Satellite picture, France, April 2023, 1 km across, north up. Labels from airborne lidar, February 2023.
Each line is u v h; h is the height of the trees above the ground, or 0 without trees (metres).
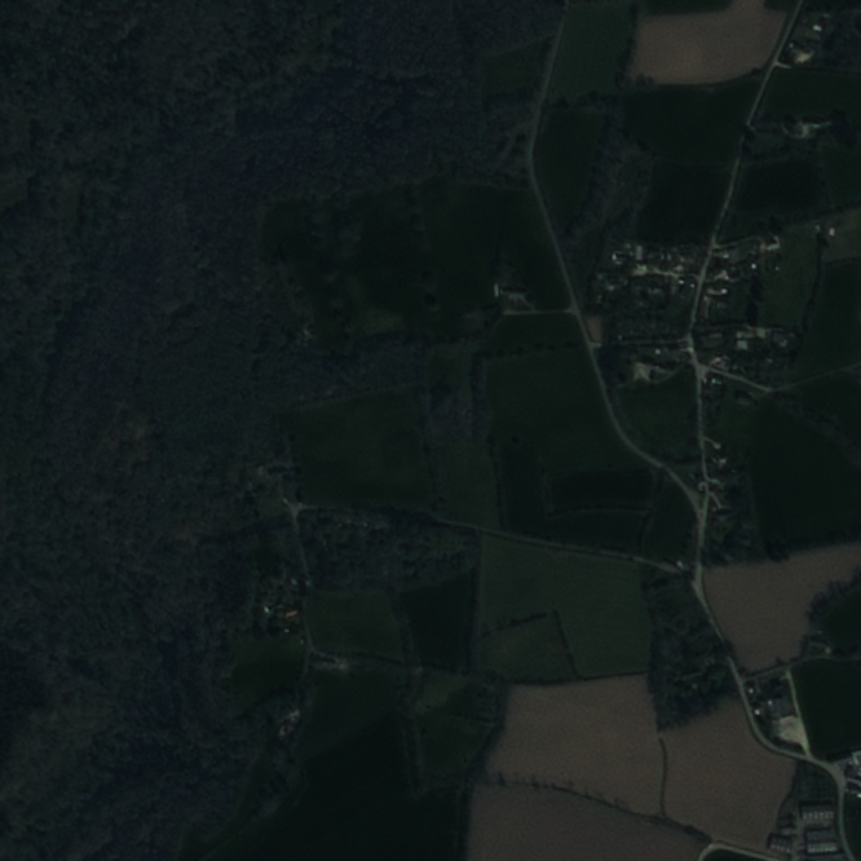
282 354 14
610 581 0
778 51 0
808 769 10
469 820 9
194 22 20
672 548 0
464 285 0
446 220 0
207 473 11
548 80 0
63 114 28
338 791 0
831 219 12
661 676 15
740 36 0
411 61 32
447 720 0
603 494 0
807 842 0
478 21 18
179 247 24
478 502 0
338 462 0
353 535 10
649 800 0
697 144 0
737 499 16
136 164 24
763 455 0
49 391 24
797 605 0
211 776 16
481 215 0
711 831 0
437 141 21
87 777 29
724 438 0
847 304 0
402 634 11
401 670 8
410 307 0
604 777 0
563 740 0
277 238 0
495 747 12
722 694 12
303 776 0
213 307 13
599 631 0
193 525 12
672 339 6
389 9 29
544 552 0
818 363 0
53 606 31
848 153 0
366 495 0
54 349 7
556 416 0
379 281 0
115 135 22
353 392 6
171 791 21
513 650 0
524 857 0
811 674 0
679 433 0
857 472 0
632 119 0
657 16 0
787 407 12
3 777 9
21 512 19
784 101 0
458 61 23
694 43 0
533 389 0
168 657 28
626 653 0
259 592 8
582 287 0
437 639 0
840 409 0
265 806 14
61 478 15
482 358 8
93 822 26
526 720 0
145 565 18
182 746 21
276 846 0
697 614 7
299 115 24
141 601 24
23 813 21
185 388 14
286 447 15
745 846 0
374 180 25
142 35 20
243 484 6
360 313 0
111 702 28
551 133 0
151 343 14
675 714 17
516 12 21
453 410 19
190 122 24
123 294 22
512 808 0
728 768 0
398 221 0
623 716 0
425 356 15
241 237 23
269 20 21
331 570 14
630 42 6
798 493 0
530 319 0
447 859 0
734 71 0
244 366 13
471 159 10
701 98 0
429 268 0
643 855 0
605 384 13
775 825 0
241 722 10
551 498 0
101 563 11
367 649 0
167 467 18
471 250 0
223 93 22
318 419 0
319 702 0
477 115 12
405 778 0
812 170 0
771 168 0
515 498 0
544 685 10
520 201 0
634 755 0
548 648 0
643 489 0
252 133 30
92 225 13
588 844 0
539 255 0
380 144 32
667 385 0
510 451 0
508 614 0
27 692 32
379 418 0
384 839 0
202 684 20
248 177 29
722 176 0
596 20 0
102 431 10
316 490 0
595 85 0
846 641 0
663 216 0
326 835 0
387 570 11
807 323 8
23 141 0
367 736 0
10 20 24
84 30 24
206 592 20
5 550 29
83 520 10
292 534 20
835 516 0
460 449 0
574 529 0
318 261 0
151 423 12
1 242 25
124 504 8
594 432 0
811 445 0
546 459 0
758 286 18
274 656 0
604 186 13
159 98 18
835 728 0
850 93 0
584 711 0
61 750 21
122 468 7
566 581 0
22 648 22
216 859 0
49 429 21
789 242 0
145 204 20
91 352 23
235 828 0
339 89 33
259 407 15
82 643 31
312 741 0
